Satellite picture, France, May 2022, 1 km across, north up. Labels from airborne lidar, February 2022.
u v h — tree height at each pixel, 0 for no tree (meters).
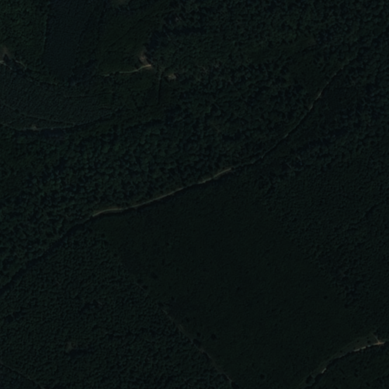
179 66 36
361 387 12
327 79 30
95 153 34
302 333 15
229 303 16
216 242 16
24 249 31
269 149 8
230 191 15
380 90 37
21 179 9
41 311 25
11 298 27
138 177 38
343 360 12
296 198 26
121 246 15
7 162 13
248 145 32
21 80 12
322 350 15
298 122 9
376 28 34
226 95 33
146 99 12
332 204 27
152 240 13
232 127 33
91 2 23
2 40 27
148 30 8
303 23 33
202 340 21
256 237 16
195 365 26
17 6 28
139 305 26
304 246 19
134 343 24
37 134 13
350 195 26
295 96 31
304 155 31
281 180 25
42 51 16
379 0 30
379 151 25
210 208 18
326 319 13
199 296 17
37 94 10
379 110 35
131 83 11
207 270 16
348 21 35
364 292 21
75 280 27
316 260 20
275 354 16
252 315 16
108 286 26
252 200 14
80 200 36
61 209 34
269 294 16
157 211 17
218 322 15
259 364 15
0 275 32
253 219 16
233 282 16
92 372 24
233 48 31
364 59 35
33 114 10
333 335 15
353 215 28
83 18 16
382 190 26
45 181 33
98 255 28
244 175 14
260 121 31
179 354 29
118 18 17
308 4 31
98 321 25
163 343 28
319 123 12
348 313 14
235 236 15
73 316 24
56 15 15
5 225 28
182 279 15
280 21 32
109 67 11
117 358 25
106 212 0
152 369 29
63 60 17
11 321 27
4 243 31
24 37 26
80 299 23
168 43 36
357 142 36
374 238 26
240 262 16
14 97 8
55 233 31
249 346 14
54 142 30
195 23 34
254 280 16
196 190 16
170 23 32
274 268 15
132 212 16
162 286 15
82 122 10
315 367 13
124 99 16
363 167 28
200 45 33
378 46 37
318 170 22
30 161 11
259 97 31
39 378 23
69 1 17
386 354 36
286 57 10
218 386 27
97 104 11
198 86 30
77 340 27
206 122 35
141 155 36
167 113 16
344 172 26
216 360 10
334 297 14
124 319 25
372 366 11
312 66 11
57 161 25
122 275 20
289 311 15
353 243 24
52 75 20
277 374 15
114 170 37
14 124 10
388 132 32
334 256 15
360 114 32
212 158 34
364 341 0
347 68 10
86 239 27
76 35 15
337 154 36
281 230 13
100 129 17
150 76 7
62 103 9
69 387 27
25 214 28
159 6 7
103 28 19
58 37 17
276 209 23
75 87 8
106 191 37
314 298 16
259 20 31
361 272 20
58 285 26
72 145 28
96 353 25
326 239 22
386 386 13
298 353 15
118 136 31
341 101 15
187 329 14
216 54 34
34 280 26
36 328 24
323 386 18
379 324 16
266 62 8
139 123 22
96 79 18
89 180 37
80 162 31
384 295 21
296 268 16
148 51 35
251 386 15
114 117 21
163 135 33
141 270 15
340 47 34
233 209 14
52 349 26
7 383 21
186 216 16
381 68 36
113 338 25
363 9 32
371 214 29
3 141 13
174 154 33
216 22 32
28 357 26
